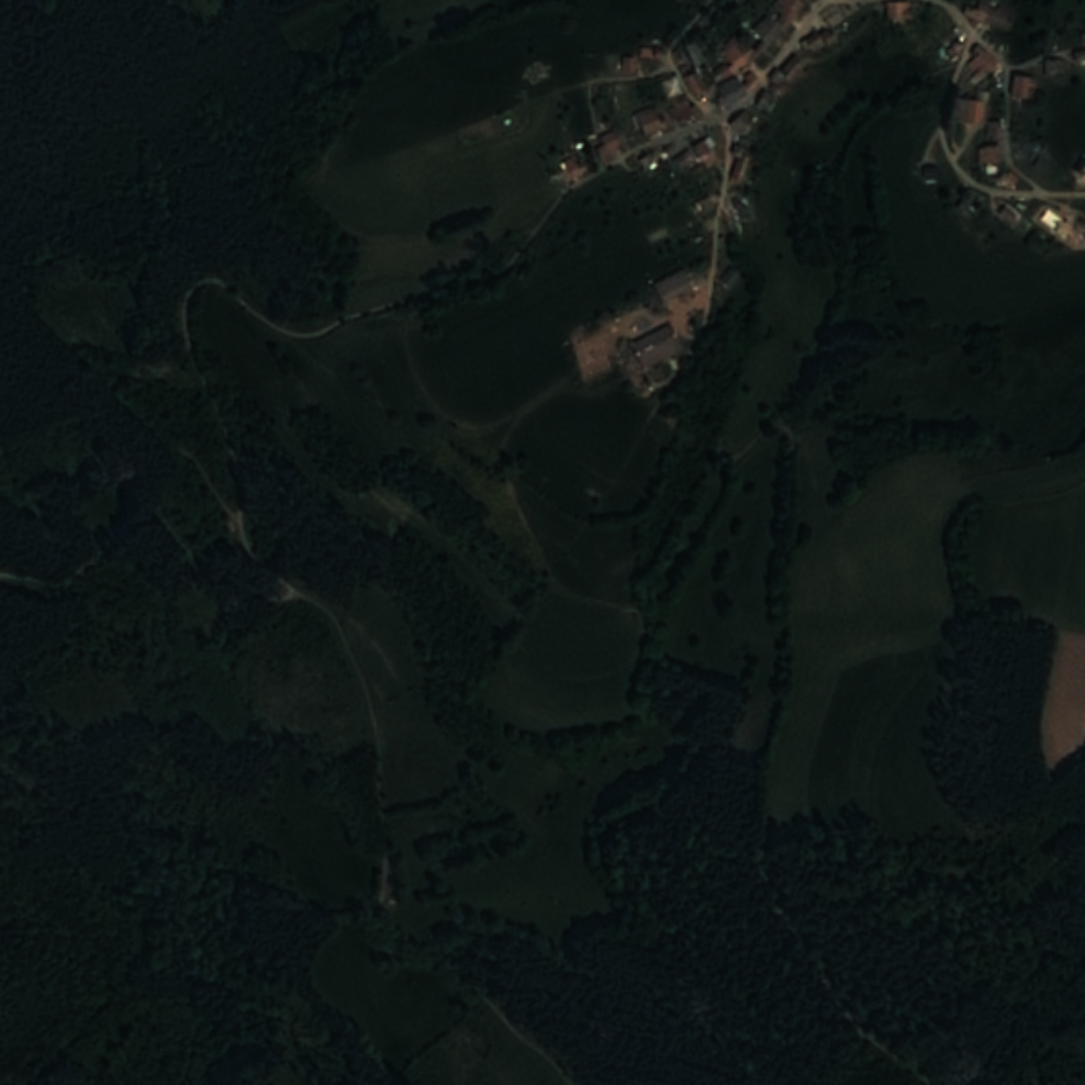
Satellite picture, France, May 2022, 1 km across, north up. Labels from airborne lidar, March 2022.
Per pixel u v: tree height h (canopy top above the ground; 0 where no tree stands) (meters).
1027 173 0
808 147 0
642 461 0
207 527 14
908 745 0
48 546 25
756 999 35
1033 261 0
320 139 6
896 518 0
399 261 0
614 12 0
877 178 13
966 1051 35
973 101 0
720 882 29
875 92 0
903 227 0
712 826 32
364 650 0
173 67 21
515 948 27
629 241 0
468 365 0
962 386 0
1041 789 18
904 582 0
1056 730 0
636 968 36
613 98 0
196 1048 16
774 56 0
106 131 12
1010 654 23
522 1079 0
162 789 7
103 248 17
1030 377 0
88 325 0
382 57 13
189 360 7
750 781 29
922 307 11
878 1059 6
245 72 20
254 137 18
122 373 8
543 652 0
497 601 0
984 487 0
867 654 0
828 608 0
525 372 0
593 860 13
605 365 0
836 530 0
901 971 33
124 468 35
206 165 20
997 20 0
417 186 0
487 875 0
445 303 20
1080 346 0
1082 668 0
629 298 7
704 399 17
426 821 0
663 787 20
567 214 0
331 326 0
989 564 0
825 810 0
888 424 10
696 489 18
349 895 0
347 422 0
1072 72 0
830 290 0
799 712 0
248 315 0
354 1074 32
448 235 19
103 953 9
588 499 0
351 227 0
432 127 0
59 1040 9
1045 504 0
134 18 21
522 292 0
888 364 0
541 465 0
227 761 26
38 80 36
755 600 0
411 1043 0
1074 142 0
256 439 15
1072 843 38
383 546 30
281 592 32
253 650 0
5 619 20
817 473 0
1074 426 0
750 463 0
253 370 0
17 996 10
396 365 0
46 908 10
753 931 30
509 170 0
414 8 0
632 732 15
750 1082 30
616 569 0
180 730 22
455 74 0
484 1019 0
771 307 0
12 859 18
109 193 12
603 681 0
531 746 19
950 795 23
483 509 12
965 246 0
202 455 5
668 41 7
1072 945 20
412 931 0
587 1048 32
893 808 0
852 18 0
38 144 33
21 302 25
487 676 10
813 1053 33
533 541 0
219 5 0
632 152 0
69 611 21
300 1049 11
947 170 0
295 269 32
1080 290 0
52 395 26
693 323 7
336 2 10
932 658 0
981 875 13
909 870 7
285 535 31
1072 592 0
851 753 0
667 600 23
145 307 19
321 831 0
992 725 19
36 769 24
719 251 0
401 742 0
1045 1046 10
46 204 29
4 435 25
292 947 28
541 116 0
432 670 14
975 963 16
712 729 32
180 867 32
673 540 22
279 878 16
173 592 36
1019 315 0
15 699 30
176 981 22
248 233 21
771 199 0
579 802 0
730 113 0
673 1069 34
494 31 0
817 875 30
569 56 0
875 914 35
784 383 0
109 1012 9
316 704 0
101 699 0
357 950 0
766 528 0
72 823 17
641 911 26
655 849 32
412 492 20
